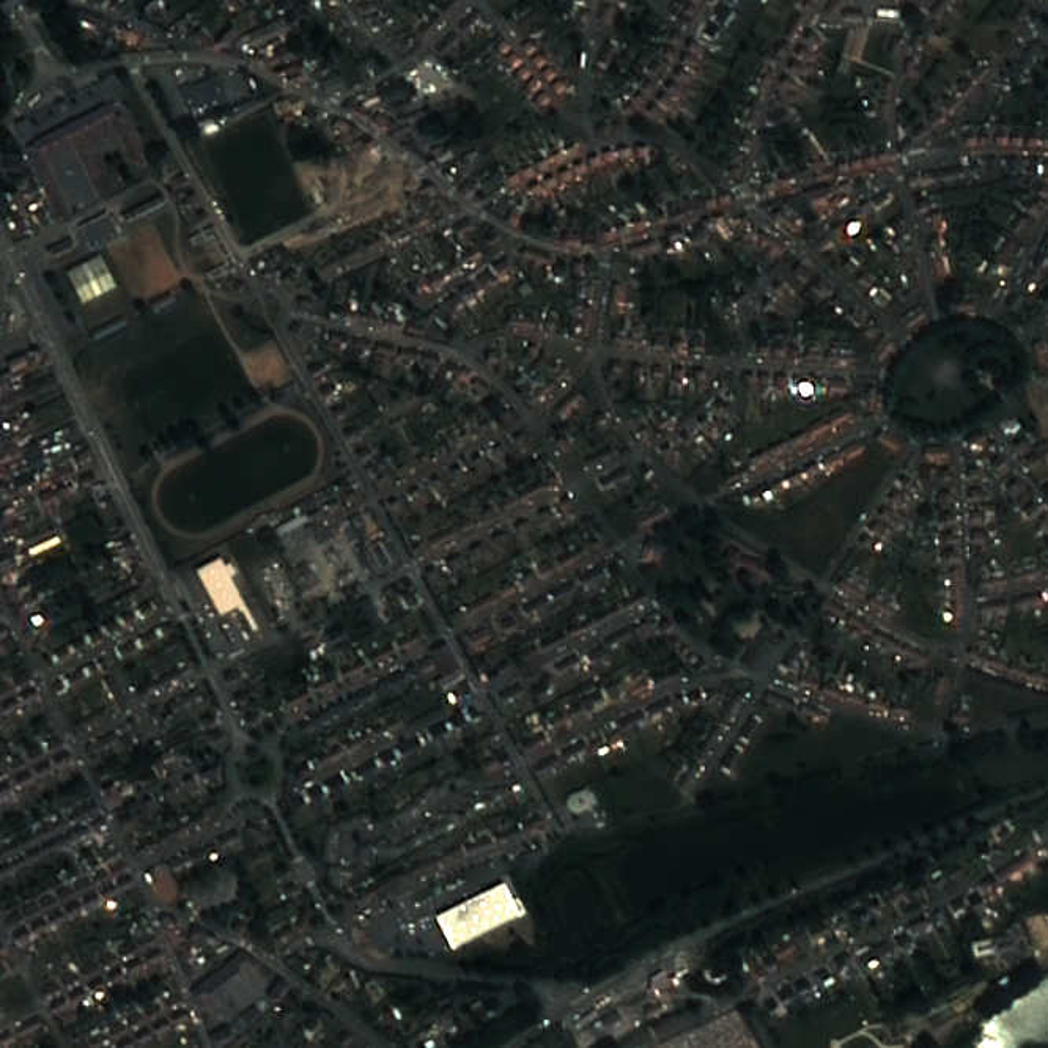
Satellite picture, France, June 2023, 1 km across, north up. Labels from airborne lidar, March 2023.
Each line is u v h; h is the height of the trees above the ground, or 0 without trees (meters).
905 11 13
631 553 0
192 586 0
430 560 0
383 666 0
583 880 0
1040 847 0
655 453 0
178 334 0
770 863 0
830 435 0
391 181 0
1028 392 0
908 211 0
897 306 0
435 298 0
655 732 0
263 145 0
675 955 0
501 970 15
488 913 0
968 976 9
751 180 0
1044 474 0
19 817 7
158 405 0
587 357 0
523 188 0
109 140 0
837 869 0
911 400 6
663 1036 0
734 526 0
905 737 0
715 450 0
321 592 0
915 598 0
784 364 0
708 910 8
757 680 0
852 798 0
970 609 0
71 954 0
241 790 0
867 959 0
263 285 0
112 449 0
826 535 0
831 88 0
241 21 0
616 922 0
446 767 0
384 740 0
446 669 0
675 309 0
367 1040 0
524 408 0
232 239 0
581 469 0
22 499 0
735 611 12
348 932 0
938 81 0
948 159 0
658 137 0
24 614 0
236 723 0
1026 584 0
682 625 12
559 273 0
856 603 0
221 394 0
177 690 0
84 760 0
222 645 0
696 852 0
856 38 0
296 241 0
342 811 7
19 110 0
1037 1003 0
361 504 0
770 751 0
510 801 0
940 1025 0
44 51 0
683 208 0
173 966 0
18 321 0
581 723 0
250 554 0
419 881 0
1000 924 0
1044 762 0
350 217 0
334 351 9
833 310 8
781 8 0
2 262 0
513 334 0
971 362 7
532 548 0
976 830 11
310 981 7
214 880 0
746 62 0
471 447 0
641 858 0
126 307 0
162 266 0
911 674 7
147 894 0
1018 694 0
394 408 0
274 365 0
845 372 0
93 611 16
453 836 0
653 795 0
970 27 0
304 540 0
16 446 0
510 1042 0
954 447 0
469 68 0
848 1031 0
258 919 12
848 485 0
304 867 0
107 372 0
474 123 14
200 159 0
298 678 7
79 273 0
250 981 0
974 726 0
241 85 0
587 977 16
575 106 0
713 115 12
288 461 0
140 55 0
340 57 0
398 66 0
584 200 0
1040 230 0
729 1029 0
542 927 7
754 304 0
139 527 0
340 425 0
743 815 0
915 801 0
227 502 0
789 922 7
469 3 0
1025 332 0
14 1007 0
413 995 12
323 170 0
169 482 0
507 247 0
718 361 0
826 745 0
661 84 0
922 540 0
